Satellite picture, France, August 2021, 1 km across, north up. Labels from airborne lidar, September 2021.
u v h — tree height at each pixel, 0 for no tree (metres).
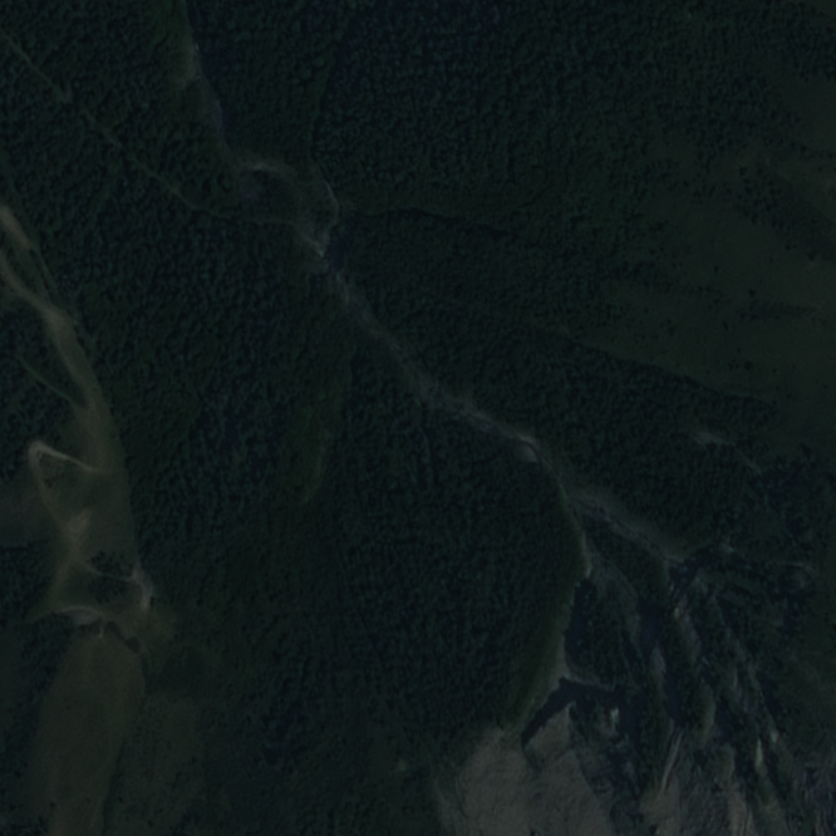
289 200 7
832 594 0
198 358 19
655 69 11
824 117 0
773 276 0
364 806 6
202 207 6
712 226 0
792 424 0
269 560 11
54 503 0
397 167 23
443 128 20
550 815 0
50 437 14
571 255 7
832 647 0
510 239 16
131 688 0
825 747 0
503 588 13
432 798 0
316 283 7
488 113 22
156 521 7
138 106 31
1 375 17
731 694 0
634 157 10
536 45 18
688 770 0
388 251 7
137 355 29
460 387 9
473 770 0
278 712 8
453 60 20
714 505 9
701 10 9
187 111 14
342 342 10
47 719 0
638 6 11
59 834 0
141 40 24
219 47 28
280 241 7
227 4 23
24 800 0
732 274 0
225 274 21
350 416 8
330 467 6
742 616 8
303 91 24
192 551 9
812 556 8
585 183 14
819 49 9
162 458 9
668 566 0
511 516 9
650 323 0
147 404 11
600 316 10
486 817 0
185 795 0
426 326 11
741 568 6
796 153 6
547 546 7
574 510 0
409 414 21
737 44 7
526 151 17
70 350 0
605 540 8
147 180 12
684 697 9
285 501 24
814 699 0
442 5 12
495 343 10
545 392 9
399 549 12
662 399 9
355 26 11
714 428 7
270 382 23
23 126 9
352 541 16
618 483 12
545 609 6
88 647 0
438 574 8
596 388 10
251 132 9
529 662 6
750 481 7
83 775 0
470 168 21
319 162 25
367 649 6
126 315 24
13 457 13
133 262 19
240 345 25
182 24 6
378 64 19
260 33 30
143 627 0
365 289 6
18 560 10
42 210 22
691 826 0
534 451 0
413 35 17
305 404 15
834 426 0
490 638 8
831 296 0
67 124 21
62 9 25
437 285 10
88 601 0
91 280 15
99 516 0
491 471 12
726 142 9
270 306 22
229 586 8
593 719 13
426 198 22
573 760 0
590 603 12
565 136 8
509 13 28
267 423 7
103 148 13
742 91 12
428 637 9
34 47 20
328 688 6
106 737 0
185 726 0
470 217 12
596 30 14
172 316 13
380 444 10
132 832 0
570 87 16
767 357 0
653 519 10
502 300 7
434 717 8
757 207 7
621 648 7
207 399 11
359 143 20
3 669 0
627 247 7
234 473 9
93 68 21
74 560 0
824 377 0
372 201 17
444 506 18
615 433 12
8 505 0
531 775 0
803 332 0
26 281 6
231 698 7
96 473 0
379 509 11
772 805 0
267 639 6
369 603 7
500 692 6
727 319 0
